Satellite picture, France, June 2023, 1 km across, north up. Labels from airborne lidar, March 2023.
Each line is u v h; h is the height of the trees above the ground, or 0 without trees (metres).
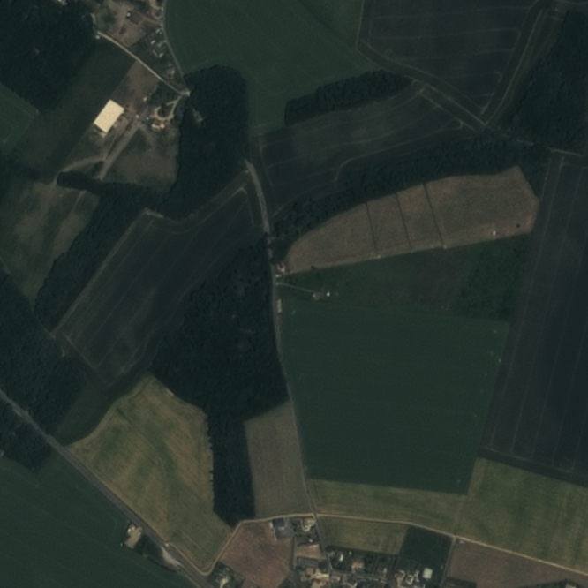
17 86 15
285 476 0
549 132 17
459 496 0
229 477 13
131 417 0
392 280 0
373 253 0
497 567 0
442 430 0
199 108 18
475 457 0
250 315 17
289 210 0
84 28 17
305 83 0
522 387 0
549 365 0
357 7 0
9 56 19
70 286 18
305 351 0
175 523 0
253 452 0
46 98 14
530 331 0
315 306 0
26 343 19
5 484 0
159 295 0
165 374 7
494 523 0
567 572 0
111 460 0
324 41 0
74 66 12
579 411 0
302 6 0
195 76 14
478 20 0
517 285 0
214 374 6
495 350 0
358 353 0
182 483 0
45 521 0
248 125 12
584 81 19
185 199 19
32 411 12
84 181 13
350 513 0
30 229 0
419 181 17
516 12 0
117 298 0
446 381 0
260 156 0
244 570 0
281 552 0
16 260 0
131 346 0
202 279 0
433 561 0
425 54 0
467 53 0
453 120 0
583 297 0
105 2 0
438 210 0
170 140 0
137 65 0
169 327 0
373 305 0
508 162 16
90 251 15
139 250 0
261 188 0
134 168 0
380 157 0
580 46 15
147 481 0
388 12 0
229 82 18
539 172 10
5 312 21
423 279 0
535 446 0
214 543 0
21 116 0
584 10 0
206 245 0
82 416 0
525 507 0
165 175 0
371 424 0
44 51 15
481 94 0
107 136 0
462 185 0
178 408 0
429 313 0
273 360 10
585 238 0
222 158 15
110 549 0
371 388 0
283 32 0
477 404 0
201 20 0
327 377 0
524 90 0
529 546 0
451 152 9
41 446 18
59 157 0
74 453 0
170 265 0
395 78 13
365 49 0
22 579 0
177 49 0
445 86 0
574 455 0
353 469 0
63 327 0
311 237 0
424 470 0
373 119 0
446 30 0
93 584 0
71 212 0
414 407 0
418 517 0
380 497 0
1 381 15
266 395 11
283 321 0
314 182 0
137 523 0
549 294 0
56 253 0
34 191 0
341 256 0
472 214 0
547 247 0
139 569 0
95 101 0
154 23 0
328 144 0
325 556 0
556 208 0
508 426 0
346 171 0
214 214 0
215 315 9
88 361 0
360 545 0
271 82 0
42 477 0
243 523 0
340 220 0
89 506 0
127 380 0
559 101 16
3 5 20
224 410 9
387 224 0
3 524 0
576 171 0
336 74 0
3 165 13
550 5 0
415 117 0
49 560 0
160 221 0
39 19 17
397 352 0
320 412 0
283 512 0
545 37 0
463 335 0
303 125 0
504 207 0
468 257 0
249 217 0
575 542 0
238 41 0
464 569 0
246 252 19
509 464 0
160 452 0
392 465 0
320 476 0
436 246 0
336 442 0
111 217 16
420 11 0
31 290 0
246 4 0
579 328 0
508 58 0
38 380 19
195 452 0
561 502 0
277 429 0
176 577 0
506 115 0
